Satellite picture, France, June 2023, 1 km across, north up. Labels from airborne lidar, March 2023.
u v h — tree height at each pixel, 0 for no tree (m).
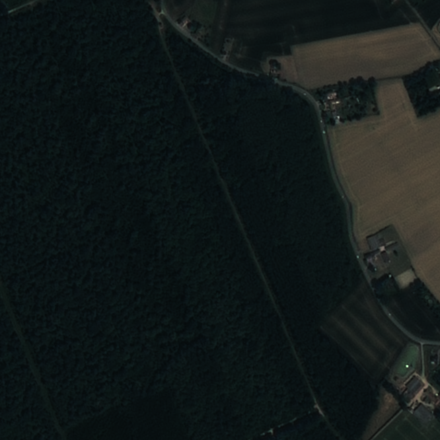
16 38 22
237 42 0
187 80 17
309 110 27
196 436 22
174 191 20
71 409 17
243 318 24
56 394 21
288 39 0
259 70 0
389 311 0
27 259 23
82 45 25
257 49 0
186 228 25
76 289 24
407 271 0
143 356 21
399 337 0
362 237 0
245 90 37
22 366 24
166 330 21
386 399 0
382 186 0
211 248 23
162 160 24
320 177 23
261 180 25
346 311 0
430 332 0
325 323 0
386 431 0
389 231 0
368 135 0
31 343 22
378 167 0
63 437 0
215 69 18
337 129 0
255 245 34
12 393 19
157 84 22
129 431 8
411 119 0
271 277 33
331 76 0
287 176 26
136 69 24
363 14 0
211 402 31
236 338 25
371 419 0
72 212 24
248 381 24
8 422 24
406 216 0
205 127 21
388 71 0
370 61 0
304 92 0
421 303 0
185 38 0
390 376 0
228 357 24
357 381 37
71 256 24
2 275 13
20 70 15
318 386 33
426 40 0
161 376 12
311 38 0
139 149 23
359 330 0
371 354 0
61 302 23
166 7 0
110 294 21
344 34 0
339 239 18
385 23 0
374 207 0
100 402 17
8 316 21
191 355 33
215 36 0
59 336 12
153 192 24
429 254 0
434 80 0
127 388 18
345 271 33
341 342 0
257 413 23
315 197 29
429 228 0
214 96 40
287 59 0
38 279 19
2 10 21
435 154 0
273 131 37
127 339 21
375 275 0
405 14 0
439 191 0
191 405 22
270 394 21
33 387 23
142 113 21
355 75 0
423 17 0
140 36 24
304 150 34
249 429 23
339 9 0
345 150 0
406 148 0
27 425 15
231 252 32
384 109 0
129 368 20
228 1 0
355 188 0
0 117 22
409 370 0
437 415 18
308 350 23
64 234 23
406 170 0
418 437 0
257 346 21
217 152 23
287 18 0
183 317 20
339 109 0
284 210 27
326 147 0
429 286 0
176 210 23
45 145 23
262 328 32
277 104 33
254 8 0
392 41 0
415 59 0
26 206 22
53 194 21
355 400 34
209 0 0
